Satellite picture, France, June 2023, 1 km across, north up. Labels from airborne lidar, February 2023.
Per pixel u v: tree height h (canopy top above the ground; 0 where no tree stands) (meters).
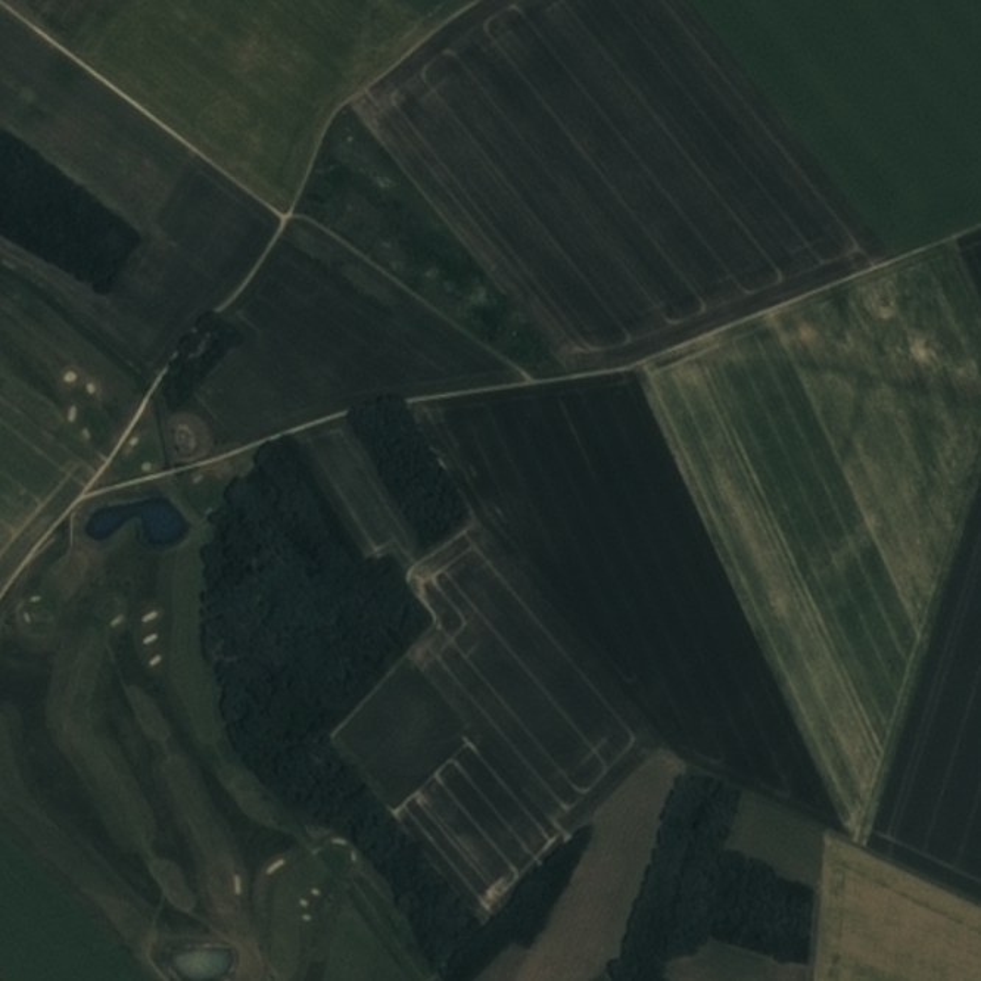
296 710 17
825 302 0
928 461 0
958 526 0
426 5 0
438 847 0
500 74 0
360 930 0
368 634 22
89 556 0
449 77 0
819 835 0
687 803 17
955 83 0
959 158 0
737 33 0
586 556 0
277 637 20
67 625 0
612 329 0
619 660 0
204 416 0
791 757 0
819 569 0
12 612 0
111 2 0
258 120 0
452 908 16
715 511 0
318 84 0
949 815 0
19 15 0
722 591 0
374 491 0
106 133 0
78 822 0
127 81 0
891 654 0
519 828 0
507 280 0
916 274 0
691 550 0
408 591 15
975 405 0
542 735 0
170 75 0
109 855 0
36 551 0
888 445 0
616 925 0
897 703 0
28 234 14
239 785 0
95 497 0
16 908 0
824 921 0
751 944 10
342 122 0
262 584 22
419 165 0
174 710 0
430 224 0
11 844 0
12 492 0
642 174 0
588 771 0
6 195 13
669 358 0
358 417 14
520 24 0
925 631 0
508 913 11
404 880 18
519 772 0
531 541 0
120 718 0
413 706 0
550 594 0
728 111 0
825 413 0
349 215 0
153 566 0
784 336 0
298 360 0
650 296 0
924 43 0
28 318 0
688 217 0
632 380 0
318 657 22
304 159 0
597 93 0
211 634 18
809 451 0
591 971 0
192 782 0
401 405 17
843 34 0
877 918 0
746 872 18
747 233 0
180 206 0
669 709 0
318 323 0
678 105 0
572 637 0
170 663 0
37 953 0
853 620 0
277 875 0
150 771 0
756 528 0
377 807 20
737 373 0
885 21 0
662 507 0
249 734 21
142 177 0
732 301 0
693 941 19
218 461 0
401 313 0
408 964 0
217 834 0
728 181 0
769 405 0
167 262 0
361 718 0
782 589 0
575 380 0
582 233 0
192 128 0
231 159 0
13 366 0
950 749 0
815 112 0
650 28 0
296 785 19
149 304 0
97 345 0
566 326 0
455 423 0
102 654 0
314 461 0
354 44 0
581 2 0
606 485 0
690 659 0
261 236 0
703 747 0
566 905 0
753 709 0
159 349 0
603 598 0
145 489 0
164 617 0
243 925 0
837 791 0
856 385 0
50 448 0
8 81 0
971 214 0
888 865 0
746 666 0
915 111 0
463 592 0
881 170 0
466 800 0
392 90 0
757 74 0
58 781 0
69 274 11
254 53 0
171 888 0
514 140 0
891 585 0
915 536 0
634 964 16
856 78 0
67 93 0
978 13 0
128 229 11
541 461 0
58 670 0
